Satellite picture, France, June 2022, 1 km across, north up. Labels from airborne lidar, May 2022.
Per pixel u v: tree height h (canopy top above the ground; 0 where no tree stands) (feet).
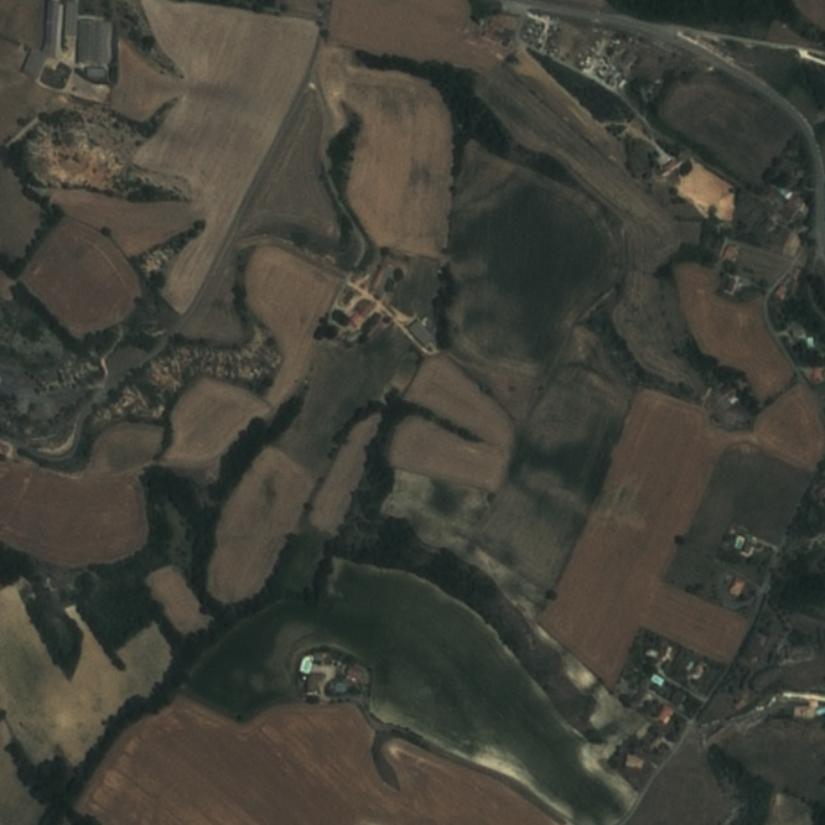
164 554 35
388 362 0
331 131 0
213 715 0
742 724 0
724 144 0
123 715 42
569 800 0
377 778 0
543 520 0
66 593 19
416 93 0
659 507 0
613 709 0
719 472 0
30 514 0
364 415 52
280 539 0
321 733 0
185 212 0
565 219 0
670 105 0
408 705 0
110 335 21
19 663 0
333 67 0
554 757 0
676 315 0
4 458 29
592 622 0
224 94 0
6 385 0
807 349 32
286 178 0
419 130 0
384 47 0
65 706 0
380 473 31
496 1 0
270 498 0
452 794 0
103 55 0
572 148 0
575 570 0
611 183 0
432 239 0
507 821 0
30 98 0
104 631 22
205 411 0
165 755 0
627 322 0
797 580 28
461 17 0
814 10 0
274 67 0
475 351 0
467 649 0
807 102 0
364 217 0
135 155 0
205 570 52
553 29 0
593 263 0
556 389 0
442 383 0
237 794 0
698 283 0
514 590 0
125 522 0
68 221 0
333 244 0
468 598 41
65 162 0
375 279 0
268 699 0
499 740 0
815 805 35
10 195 0
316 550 0
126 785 0
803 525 25
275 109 0
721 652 0
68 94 0
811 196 24
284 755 0
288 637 0
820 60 0
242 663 0
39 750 0
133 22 26
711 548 0
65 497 0
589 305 0
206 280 0
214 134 0
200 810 0
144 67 0
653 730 28
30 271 0
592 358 0
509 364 0
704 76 0
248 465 61
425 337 0
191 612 0
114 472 0
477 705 0
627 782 0
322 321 30
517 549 0
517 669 0
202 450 0
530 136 0
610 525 0
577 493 0
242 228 0
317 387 0
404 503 0
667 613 0
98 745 25
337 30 0
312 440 0
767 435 0
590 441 0
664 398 0
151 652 0
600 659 0
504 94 0
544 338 0
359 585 0
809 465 0
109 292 0
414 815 0
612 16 0
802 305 61
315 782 0
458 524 0
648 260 0
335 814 0
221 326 0
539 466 0
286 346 0
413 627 0
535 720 0
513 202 0
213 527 50
